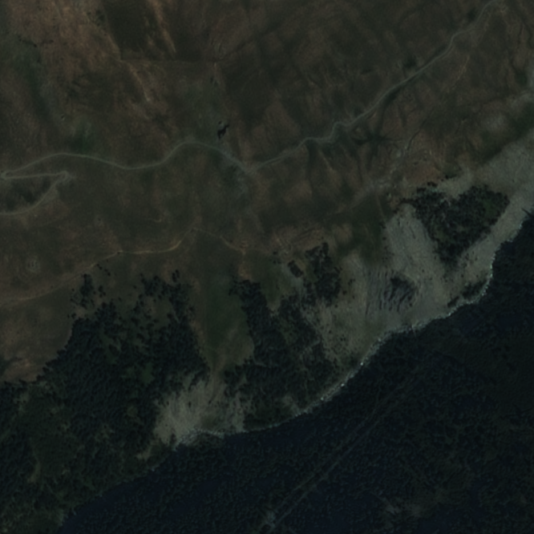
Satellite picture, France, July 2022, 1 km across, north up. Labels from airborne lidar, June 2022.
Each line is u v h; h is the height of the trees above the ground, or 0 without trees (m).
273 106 0
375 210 0
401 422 7
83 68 0
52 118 0
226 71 0
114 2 0
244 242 0
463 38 0
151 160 0
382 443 28
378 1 0
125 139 0
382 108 0
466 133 0
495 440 14
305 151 0
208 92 0
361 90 0
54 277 0
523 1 0
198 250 0
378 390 7
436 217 6
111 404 13
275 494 6
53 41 0
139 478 12
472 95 0
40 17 0
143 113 0
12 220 0
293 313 9
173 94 0
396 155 0
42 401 10
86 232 0
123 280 0
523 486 9
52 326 0
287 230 0
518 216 0
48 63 0
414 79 0
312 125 0
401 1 0
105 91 0
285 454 32
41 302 0
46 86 0
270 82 0
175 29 0
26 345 0
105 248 0
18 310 0
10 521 7
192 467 13
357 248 0
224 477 10
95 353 23
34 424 9
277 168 0
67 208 0
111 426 10
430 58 0
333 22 0
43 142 0
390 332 0
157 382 12
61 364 21
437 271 0
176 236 0
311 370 20
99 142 0
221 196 0
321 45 0
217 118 0
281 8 0
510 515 19
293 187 0
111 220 0
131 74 0
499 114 0
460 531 6
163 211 0
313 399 11
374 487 28
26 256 0
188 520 28
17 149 0
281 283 0
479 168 0
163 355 11
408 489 20
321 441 28
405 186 0
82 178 0
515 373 25
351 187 0
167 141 0
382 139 0
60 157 0
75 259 0
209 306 0
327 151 0
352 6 0
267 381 14
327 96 0
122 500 28
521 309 6
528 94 0
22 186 0
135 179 0
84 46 0
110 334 12
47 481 16
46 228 0
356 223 0
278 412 14
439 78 0
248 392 17
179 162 0
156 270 0
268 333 19
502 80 0
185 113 0
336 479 26
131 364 12
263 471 27
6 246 0
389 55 0
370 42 0
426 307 0
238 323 0
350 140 0
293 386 10
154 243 0
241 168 0
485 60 0
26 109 0
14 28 0
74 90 0
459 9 0
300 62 0
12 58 0
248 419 10
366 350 0
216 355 0
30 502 8
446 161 0
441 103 0
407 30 0
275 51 0
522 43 0
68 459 9
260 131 0
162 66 0
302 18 0
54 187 0
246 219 0
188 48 0
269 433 7
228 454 11
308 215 0
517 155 0
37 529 6
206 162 0
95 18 0
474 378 29
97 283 0
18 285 0
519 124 0
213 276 0
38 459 7
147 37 0
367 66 0
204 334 0
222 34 0
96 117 0
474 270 0
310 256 7
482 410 25
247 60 0
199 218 0
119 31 0
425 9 0
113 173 0
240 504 27
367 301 0
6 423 17
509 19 0
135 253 0
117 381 15
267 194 0
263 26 0
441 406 20
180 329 14
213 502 30
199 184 0
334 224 0
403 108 0
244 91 0
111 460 12
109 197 0
